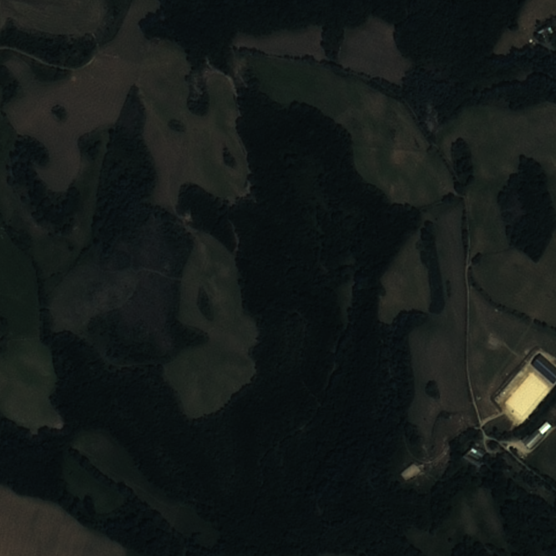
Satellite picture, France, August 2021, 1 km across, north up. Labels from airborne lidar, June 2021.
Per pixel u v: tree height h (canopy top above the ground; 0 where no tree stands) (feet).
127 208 33
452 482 35
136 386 33
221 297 0
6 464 54
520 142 0
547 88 41
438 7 54
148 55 0
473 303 0
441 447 0
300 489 51
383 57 0
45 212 48
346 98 0
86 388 27
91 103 0
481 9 94
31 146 23
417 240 0
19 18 0
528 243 23
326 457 28
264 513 37
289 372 26
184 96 0
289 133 36
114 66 0
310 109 40
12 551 0
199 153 0
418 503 38
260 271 30
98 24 0
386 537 60
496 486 63
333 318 47
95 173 0
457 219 0
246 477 25
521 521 64
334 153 33
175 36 37
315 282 31
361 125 0
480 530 0
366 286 81
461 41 80
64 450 19
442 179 0
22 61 0
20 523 0
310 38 0
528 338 0
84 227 0
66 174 0
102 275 0
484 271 0
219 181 0
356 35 0
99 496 0
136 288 0
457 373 0
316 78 0
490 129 0
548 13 0
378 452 63
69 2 0
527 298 0
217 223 25
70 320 0
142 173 19
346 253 39
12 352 0
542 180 31
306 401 27
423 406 0
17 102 0
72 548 0
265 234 35
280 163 39
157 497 0
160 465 27
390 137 0
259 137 37
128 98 19
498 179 0
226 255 0
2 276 0
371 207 52
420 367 0
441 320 0
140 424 20
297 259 30
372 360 25
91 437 0
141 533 62
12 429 35
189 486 29
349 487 33
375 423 38
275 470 35
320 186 32
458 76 46
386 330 28
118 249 0
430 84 38
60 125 0
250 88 23
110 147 31
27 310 0
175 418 27
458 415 0
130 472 0
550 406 28
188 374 0
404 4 49
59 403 33
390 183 0
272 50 0
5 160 0
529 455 0
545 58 23
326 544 63
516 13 35
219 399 0
